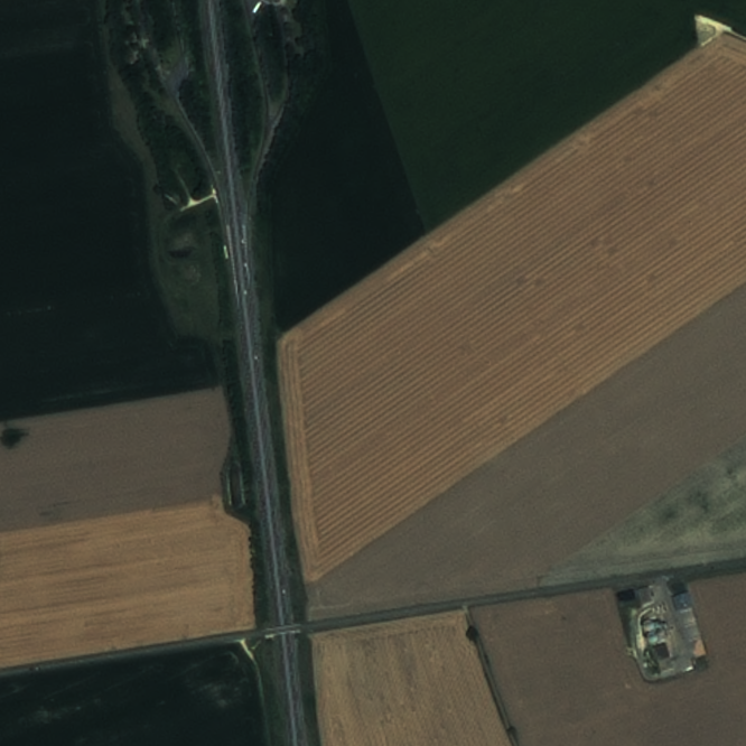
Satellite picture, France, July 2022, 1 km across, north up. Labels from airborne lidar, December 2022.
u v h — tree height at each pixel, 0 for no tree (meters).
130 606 0
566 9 0
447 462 0
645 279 0
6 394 0
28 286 0
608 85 0
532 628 0
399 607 0
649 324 0
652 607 0
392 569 0
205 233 0
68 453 0
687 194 0
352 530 0
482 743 0
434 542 0
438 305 0
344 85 0
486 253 0
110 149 0
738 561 0
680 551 0
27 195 0
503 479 0
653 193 0
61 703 0
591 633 0
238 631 0
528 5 0
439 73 0
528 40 0
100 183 0
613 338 0
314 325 0
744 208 0
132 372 0
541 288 0
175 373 0
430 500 0
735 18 0
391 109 0
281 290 0
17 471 0
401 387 0
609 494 0
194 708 0
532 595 0
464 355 0
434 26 0
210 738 0
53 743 0
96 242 0
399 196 0
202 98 9
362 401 0
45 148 0
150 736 0
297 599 0
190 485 0
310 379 0
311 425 0
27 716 0
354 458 0
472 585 0
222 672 0
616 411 0
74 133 0
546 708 0
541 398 0
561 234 0
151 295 0
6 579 0
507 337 0
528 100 0
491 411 0
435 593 0
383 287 0
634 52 0
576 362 0
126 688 0
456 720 0
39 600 0
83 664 0
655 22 0
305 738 0
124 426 0
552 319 0
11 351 0
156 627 0
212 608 0
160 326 0
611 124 0
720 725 0
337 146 0
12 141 0
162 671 0
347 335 0
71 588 0
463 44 0
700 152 0
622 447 0
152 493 0
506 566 0
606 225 0
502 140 0
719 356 0
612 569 0
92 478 0
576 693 0
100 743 0
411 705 0
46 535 0
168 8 10
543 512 0
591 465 0
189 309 0
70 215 0
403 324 0
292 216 0
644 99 0
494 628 0
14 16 0
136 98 10
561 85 0
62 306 0
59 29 0
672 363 0
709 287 0
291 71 14
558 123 0
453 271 0
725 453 0
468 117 0
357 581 0
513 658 0
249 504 8
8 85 0
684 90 0
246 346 0
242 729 0
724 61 0
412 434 0
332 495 0
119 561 0
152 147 10
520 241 0
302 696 0
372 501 0
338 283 0
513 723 0
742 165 0
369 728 0
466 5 0
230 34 13
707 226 0
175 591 0
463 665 0
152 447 0
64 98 0
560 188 0
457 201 0
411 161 0
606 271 0
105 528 0
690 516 0
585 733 0
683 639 0
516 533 0
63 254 0
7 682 0
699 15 0
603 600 0
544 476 0
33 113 0
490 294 0
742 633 0
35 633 0
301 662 0
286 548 0
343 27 0
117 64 6
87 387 0
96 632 0
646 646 0
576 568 0
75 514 0
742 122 0
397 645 0
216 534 0
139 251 0
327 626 0
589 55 0
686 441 0
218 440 0
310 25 13
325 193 0
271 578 0
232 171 0
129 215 0
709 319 0
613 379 0
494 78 0
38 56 0
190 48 9
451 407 0
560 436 0
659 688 0
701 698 0
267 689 0
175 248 0
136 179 0
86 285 0
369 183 0
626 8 0
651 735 0
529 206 0
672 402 0
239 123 14
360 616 0
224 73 0
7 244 0
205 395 0
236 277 0
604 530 0
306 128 0
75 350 0
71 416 0
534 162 0
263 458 0
